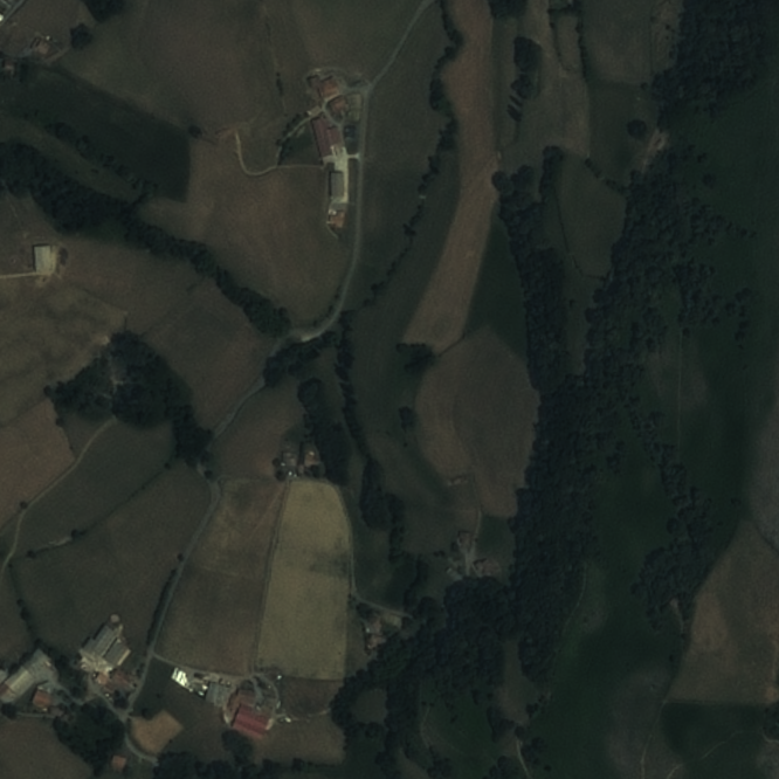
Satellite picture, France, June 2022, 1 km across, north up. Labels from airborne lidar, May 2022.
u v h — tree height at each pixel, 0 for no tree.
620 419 14
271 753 0
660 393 0
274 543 0
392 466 0
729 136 0
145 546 0
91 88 0
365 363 0
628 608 0
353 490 0
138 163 0
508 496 0
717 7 19
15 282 0
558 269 18
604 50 0
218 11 0
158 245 25
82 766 0
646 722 0
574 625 0
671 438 0
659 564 17
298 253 0
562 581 18
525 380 0
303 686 0
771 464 0
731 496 0
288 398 0
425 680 12
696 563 7
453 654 22
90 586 0
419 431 7
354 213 0
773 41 8
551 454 24
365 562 0
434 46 0
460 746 0
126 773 14
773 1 22
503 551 0
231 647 0
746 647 0
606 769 0
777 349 0
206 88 0
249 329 0
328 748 0
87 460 0
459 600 20
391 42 0
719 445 0
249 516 0
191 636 0
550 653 16
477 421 0
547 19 0
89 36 22
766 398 0
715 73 19
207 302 0
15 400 0
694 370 0
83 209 35
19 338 0
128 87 0
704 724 0
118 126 0
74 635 0
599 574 0
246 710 0
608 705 0
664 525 0
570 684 0
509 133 0
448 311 0
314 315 0
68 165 0
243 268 0
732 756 0
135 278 0
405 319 0
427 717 0
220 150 0
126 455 0
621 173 0
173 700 0
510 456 0
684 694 0
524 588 26
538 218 26
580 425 17
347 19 0
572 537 19
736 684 0
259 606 0
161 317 0
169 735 0
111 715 27
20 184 20
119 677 0
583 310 0
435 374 0
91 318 0
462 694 12
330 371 0
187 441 20
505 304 0
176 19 0
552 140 0
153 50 0
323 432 21
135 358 31
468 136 0
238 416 0
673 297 0
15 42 0
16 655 0
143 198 10
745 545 0
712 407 0
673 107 16
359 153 0
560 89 0
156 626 8
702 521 14
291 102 0
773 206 0
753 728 0
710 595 0
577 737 0
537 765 10
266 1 0
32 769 0
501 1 20
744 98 0
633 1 0
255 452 0
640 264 15
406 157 0
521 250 29
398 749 15
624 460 9
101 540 0
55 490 0
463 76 0
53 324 0
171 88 0
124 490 0
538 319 26
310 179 0
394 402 0
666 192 8
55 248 0
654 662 0
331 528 0
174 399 8
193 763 18
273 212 0
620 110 0
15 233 0
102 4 19
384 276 0
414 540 0
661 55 0
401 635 8
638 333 16
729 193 0
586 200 0
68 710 11
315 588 0
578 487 18
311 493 0
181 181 0
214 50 0
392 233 0
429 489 0
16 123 0
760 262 0
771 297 0
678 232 17
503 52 0
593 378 11
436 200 0
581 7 15
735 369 0
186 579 0
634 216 10
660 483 0
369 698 0
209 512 0
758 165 0
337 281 0
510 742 0
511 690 0
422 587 9
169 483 0
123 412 27
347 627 0
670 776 0
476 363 0
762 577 0
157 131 0
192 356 0
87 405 16
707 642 0
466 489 0
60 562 0
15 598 0
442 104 21
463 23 0
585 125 0
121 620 0
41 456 0
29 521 0
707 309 13
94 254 0
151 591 0
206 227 0
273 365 15
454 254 0
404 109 0
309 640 0
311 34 0
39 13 0
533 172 14
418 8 0
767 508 0
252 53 0
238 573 0
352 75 0
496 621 14
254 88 0
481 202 0
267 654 0
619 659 0
